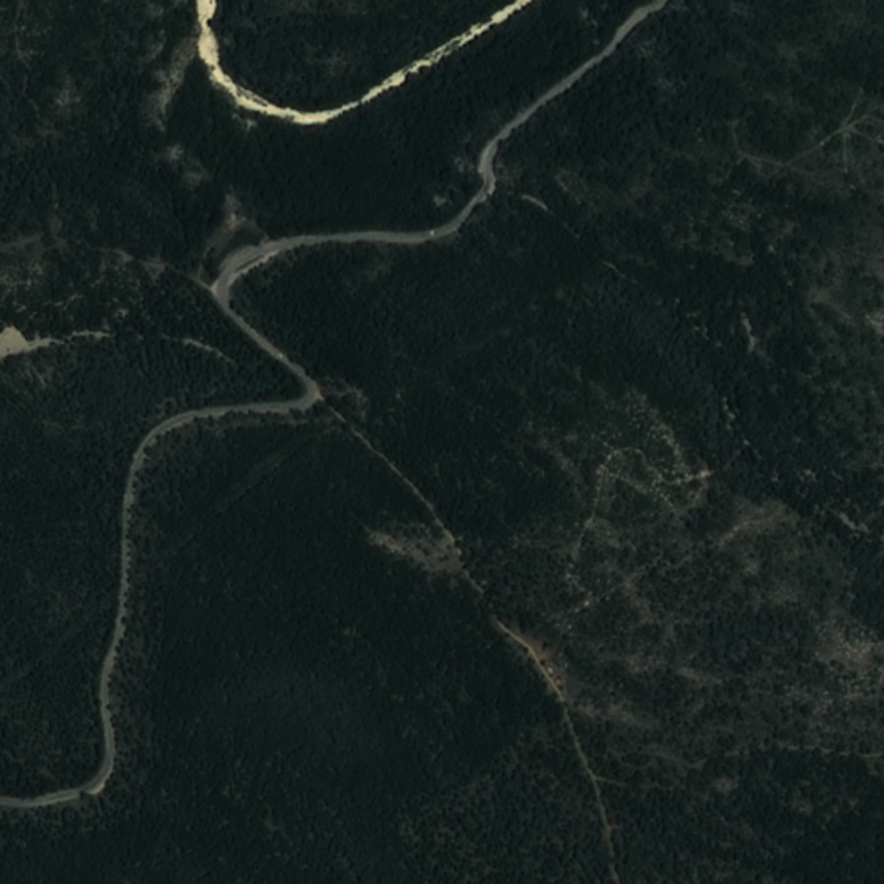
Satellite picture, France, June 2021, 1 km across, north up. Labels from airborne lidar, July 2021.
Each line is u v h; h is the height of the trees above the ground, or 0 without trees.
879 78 7
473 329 6
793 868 11
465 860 10
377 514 6
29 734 7
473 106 15
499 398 6
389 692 8
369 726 11
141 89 8
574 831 8
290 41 11
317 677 11
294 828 8
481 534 7
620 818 6
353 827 10
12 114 9
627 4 10
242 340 13
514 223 9
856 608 8
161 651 7
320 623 9
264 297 10
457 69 10
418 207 12
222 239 0
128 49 8
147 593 7
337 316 8
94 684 7
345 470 11
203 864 9
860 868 10
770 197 8
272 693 12
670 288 9
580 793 7
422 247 9
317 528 7
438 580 7
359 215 11
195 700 9
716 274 12
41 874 9
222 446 9
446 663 8
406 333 7
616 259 8
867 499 7
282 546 10
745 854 6
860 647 0
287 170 14
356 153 13
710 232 8
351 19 8
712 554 11
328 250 7
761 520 0
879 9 9
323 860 10
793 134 7
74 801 0
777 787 6
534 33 15
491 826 7
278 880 10
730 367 9
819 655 0
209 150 13
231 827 9
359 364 9
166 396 12
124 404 16
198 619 9
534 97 9
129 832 10
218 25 7
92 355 6
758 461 12
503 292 6
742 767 6
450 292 6
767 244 7
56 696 7
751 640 6
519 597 7
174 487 10
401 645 10
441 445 6
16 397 6
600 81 8
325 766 11
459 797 11
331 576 8
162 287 8
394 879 14
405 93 11
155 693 9
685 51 8
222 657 10
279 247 0
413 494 10
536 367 10
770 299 7
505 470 6
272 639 9
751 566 0
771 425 10
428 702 8
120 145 13
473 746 11
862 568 11
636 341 8
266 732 9
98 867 10
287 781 7
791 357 8
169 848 13
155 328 11
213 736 7
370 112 14
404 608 8
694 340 11
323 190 14
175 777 7
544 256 7
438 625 8
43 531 8
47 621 11
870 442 7
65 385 7
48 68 7
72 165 11
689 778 8
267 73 16
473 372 8
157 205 8
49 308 9
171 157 0
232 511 10
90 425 6
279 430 9
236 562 7
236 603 7
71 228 7
